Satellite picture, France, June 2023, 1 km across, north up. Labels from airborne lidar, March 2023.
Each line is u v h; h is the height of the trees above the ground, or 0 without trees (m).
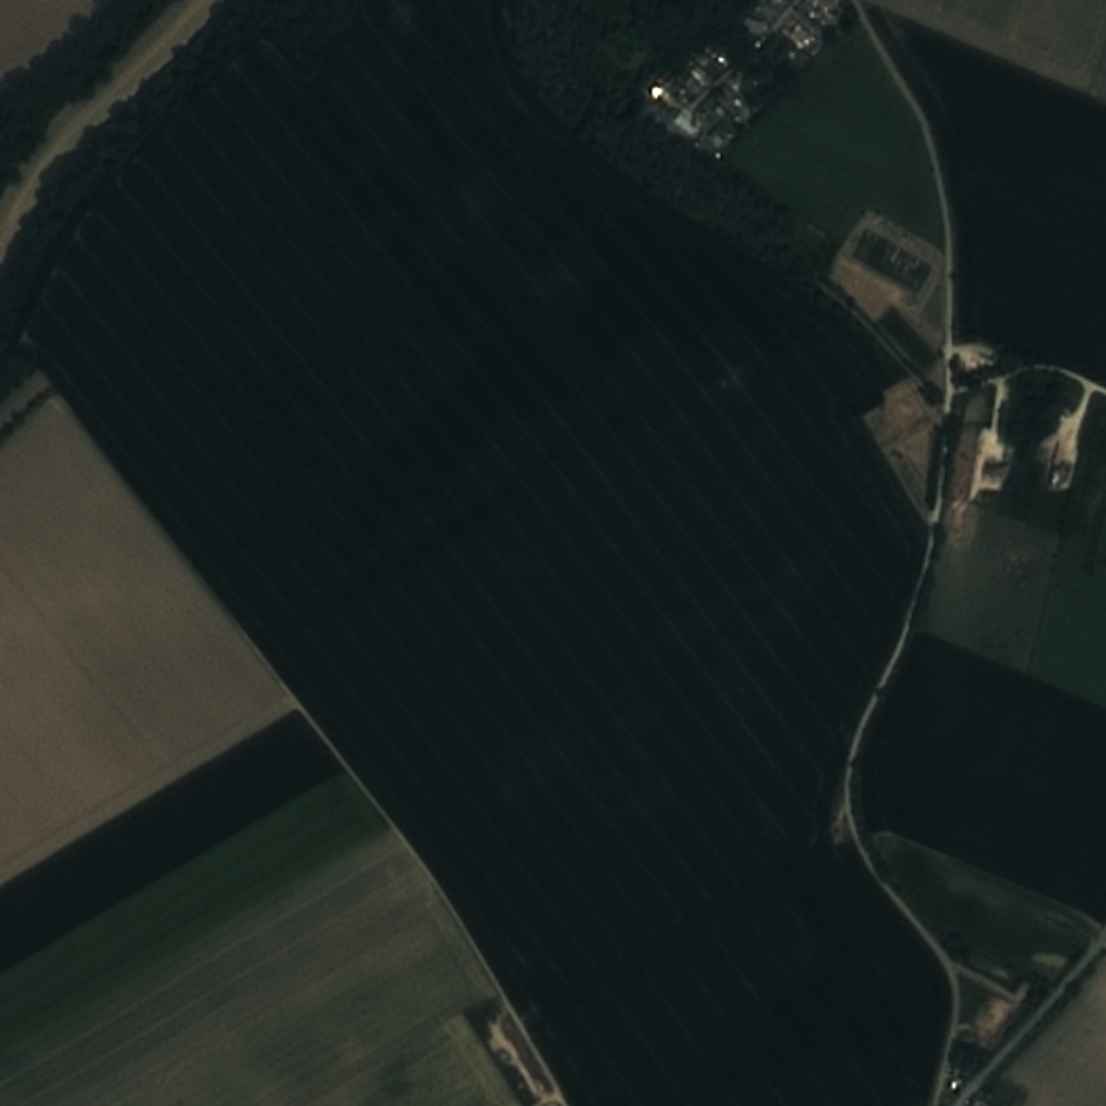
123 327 0
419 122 0
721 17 21
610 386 0
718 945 0
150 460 0
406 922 0
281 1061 0
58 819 0
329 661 0
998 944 0
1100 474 0
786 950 0
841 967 0
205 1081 0
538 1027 0
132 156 0
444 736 0
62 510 0
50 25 0
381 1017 0
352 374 0
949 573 0
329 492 0
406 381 0
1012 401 0
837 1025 0
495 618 0
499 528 0
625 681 0
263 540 0
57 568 0
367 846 0
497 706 0
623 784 0
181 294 0
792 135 0
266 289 0
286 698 0
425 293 0
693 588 0
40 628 0
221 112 0
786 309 0
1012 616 0
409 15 0
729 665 0
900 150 0
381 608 0
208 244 0
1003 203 0
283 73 0
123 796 0
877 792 0
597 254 0
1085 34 0
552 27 16
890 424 0
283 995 0
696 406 0
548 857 0
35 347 0
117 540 0
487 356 0
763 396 0
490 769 0
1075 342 0
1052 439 0
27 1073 0
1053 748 0
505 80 0
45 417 0
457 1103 0
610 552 0
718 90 7
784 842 0
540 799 0
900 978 0
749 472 0
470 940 0
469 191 0
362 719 0
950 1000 0
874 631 0
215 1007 0
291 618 0
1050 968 0
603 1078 0
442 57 0
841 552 0
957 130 0
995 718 0
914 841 0
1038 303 0
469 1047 0
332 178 0
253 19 16
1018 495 0
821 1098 0
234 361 0
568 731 0
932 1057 0
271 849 0
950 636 0
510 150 0
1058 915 0
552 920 0
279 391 0
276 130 0
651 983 0
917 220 0
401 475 0
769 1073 0
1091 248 0
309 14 27
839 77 0
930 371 0
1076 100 0
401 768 0
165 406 0
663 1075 0
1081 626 0
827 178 0
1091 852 0
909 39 0
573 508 0
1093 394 0
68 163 12
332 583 0
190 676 0
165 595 0
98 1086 0
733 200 12
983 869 0
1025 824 0
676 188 18
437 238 0
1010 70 0
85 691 0
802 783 0
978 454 0
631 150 9
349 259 0
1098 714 0
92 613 0
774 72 8
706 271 0
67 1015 0
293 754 0
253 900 0
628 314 0
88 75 23
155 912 0
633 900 0
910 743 0
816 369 0
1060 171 0
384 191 0
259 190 0
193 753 0
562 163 0
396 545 0
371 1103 0
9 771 0
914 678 0
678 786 0
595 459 0
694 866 0
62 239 0
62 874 0
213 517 0
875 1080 0
